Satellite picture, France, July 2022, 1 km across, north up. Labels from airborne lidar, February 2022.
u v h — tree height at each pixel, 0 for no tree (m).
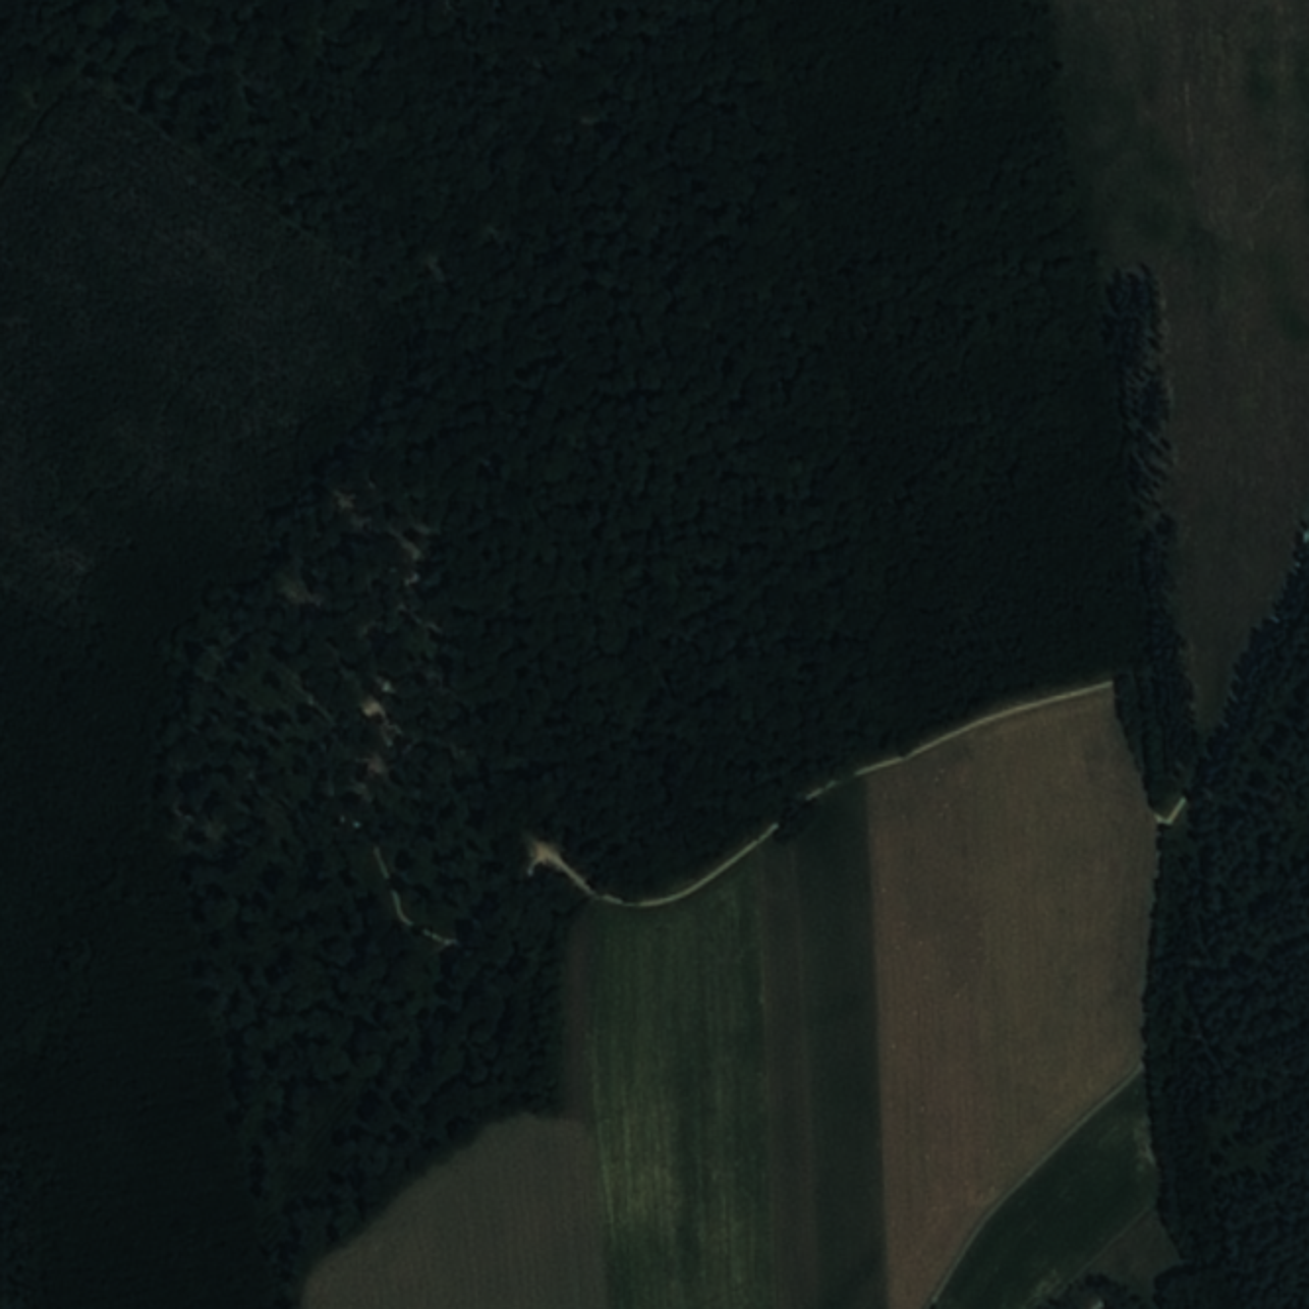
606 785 23
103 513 10
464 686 30
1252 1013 29
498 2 14
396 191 23
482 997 26
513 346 30
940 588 14
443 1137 24
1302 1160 20
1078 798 0
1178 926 8
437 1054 26
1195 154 0
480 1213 0
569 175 27
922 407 15
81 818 16
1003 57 24
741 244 27
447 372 23
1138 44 0
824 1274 0
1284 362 0
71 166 8
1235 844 34
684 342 30
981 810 0
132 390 7
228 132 28
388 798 27
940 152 15
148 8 28
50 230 7
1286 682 29
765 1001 0
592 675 29
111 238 9
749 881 0
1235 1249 28
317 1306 0
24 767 22
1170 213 0
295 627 30
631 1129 0
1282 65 0
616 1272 0
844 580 26
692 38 31
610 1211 0
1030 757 0
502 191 26
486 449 33
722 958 0
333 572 30
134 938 7
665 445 33
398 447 31
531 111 28
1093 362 20
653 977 0
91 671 19
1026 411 23
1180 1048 11
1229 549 0
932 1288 0
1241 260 0
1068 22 0
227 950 20
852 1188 0
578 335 31
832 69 13
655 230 26
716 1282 0
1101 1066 0
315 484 8
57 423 12
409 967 28
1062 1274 0
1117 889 0
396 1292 0
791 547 23
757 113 28
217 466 7
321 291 9
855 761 22
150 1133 9
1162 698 21
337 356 8
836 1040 0
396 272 29
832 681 27
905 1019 0
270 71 24
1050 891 0
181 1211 8
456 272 26
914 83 14
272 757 29
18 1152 10
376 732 27
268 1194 26
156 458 8
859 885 0
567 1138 0
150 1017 6
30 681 26
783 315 23
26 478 8
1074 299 22
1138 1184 0
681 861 28
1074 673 14
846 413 14
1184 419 0
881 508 17
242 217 10
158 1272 8
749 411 25
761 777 23
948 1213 0
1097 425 16
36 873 17
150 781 10
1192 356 0
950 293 23
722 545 30
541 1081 17
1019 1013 0
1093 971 0
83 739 18
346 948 27
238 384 9
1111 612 17
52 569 8
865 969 0
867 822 0
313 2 30
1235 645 0
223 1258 10
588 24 24
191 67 28
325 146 28
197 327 7
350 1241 24
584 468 31
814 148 15
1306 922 29
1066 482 16
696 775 22
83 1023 7
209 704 24
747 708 23
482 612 26
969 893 0
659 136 31
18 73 29
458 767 29
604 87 27
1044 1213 0
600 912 0
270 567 26
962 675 16
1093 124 0
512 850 15
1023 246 20
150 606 10
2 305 8
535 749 25
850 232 15
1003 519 17
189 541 7
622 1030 0
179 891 7
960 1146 0
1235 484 0
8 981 20
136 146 8
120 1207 7
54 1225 8
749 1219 0
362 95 24
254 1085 33
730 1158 0
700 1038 0
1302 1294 19
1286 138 0
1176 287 0
